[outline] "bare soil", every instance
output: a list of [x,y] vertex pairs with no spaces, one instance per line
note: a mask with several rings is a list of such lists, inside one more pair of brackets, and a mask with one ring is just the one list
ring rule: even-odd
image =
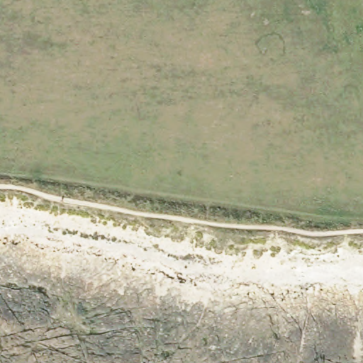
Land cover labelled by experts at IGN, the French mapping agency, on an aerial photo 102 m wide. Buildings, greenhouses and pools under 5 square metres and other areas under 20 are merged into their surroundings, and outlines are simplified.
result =
[[169,238],[146,235],[142,227],[138,231],[133,231],[130,227],[123,230],[113,227],[112,221],[105,225],[92,224],[89,218],[85,217],[69,214],[54,216],[48,211],[24,207],[23,201],[17,199],[0,203],[0,363],[363,363],[363,248],[356,250],[343,241],[337,252],[332,254],[328,250],[306,250],[296,247],[279,238],[279,235],[269,234],[265,244],[248,244],[245,257],[240,254],[225,255],[208,251],[206,248],[193,247],[186,240],[177,242]]

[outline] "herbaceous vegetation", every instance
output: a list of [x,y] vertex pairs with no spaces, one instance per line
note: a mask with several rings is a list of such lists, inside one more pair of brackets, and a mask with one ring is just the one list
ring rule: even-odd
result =
[[69,214],[85,217],[89,218],[92,224],[105,225],[112,221],[113,227],[123,230],[130,227],[133,231],[138,231],[142,227],[146,235],[169,238],[177,242],[186,240],[193,247],[206,248],[208,251],[225,255],[240,254],[245,257],[248,244],[265,244],[269,234],[279,235],[279,238],[296,247],[306,250],[328,250],[332,254],[337,252],[343,241],[356,250],[363,248],[363,234],[318,237],[288,231],[242,230],[180,223],[164,218],[130,216],[99,208],[69,207],[68,204],[45,200],[26,191],[0,189],[0,203],[17,199],[23,201],[24,207],[48,211],[54,216]]
[[94,201],[129,210],[173,214],[220,223],[282,225],[312,231],[363,228],[363,0],[0,0],[0,183],[18,184],[54,196]]

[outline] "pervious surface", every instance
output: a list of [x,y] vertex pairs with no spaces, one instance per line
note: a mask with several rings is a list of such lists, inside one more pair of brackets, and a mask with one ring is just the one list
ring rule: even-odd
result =
[[312,231],[282,225],[220,223],[173,214],[129,210],[94,201],[54,196],[18,184],[0,183],[0,189],[26,191],[45,200],[68,204],[69,207],[99,208],[130,216],[164,218],[180,223],[242,230],[288,231],[318,237],[363,234],[363,228]]

